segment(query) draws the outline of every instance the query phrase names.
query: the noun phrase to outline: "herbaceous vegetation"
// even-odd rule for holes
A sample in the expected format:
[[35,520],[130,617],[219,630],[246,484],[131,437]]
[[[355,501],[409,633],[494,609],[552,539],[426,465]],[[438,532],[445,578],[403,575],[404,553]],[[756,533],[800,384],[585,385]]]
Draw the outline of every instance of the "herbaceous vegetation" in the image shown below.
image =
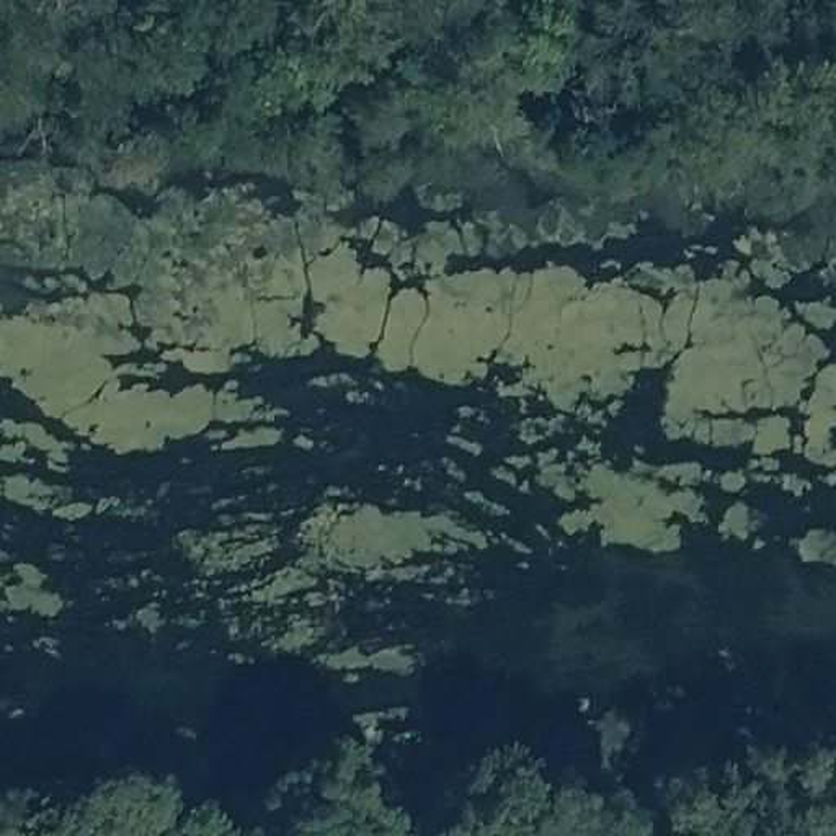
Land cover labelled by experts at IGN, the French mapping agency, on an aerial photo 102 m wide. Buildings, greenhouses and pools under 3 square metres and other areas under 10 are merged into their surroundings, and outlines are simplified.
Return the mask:
[[39,447],[49,460],[65,460],[65,444],[49,438],[36,425],[7,418],[0,425],[0,460],[20,460],[26,451]]
[[379,709],[356,718],[366,738],[376,741],[382,722],[408,715],[405,709]]
[[108,513],[150,523],[157,519],[157,513],[147,496],[140,503],[101,496],[95,503],[75,503],[69,487],[46,487],[26,477],[0,480],[0,496],[59,519]]
[[336,669],[346,683],[359,683],[362,669],[411,673],[411,656],[389,647],[376,653],[323,653],[317,663]]
[[271,516],[248,513],[255,526],[209,536],[180,532],[180,549],[206,575],[242,568],[274,552],[278,526],[271,526]]
[[153,607],[140,607],[137,614],[118,617],[114,630],[170,630],[206,624],[206,611],[199,611],[196,617],[160,617]]
[[601,767],[614,767],[614,754],[624,748],[627,738],[627,722],[620,722],[617,715],[604,715],[598,728]]
[[300,617],[291,620],[291,630],[284,637],[271,640],[268,650],[297,650],[323,634],[320,627],[310,627],[310,620]]
[[529,545],[506,532],[483,536],[477,529],[460,526],[451,516],[379,513],[359,490],[327,487],[317,516],[304,519],[297,529],[300,558],[291,568],[281,568],[268,588],[251,594],[251,601],[281,604],[281,594],[314,585],[320,568],[366,575],[369,581],[421,581],[428,565],[405,568],[402,562],[411,552],[464,552],[503,545],[516,552],[519,568],[532,565]]
[[173,121],[163,111],[137,105],[127,114],[124,131],[105,134],[105,147],[134,144],[147,134],[163,134],[173,127]]
[[[692,268],[656,265],[637,265],[634,274],[604,284],[585,284],[585,278],[571,268],[542,268],[532,274],[447,274],[444,265],[451,255],[513,255],[519,248],[539,245],[604,248],[604,242],[611,238],[634,235],[640,219],[663,219],[669,229],[692,235],[709,229],[709,222],[715,222],[715,216],[728,202],[705,202],[702,209],[689,209],[676,193],[669,199],[637,196],[627,202],[614,202],[604,193],[578,193],[571,186],[555,189],[555,202],[529,209],[526,193],[513,183],[523,167],[509,163],[503,150],[483,147],[477,157],[464,157],[454,163],[451,183],[431,183],[418,196],[425,209],[457,209],[460,202],[470,202],[474,219],[454,229],[444,222],[428,222],[421,235],[408,235],[385,219],[369,219],[362,225],[336,225],[340,209],[366,196],[362,183],[343,183],[340,176],[291,176],[287,183],[297,199],[297,212],[274,216],[255,196],[251,180],[258,173],[248,173],[245,183],[216,189],[202,199],[173,189],[167,176],[153,186],[150,196],[157,202],[157,216],[137,219],[121,202],[91,196],[91,180],[72,167],[49,167],[36,160],[0,163],[0,265],[85,268],[91,278],[111,274],[114,284],[140,287],[140,297],[95,294],[91,300],[69,297],[59,304],[26,304],[20,317],[0,314],[0,376],[7,376],[13,389],[33,398],[46,415],[65,421],[82,438],[91,438],[95,444],[105,444],[118,454],[160,451],[167,441],[189,434],[206,438],[212,451],[278,444],[281,431],[271,428],[245,431],[235,438],[229,438],[225,431],[212,431],[209,421],[274,421],[287,415],[284,408],[271,408],[265,398],[238,398],[238,382],[225,382],[222,392],[206,392],[196,385],[183,392],[147,392],[144,385],[134,385],[124,392],[118,382],[121,376],[163,376],[173,362],[183,362],[193,372],[225,372],[238,362],[251,362],[258,353],[310,356],[320,343],[300,336],[300,330],[291,327],[291,317],[300,314],[304,294],[314,294],[314,300],[320,300],[323,307],[317,327],[327,333],[336,353],[366,356],[369,343],[379,343],[379,359],[392,372],[418,369],[434,382],[467,385],[487,376],[487,366],[477,356],[490,356],[490,349],[496,349],[496,359],[506,366],[532,362],[529,372],[523,372],[513,385],[503,382],[496,389],[500,398],[519,402],[519,441],[526,444],[558,434],[568,415],[578,415],[588,425],[607,425],[620,411],[624,392],[634,389],[634,372],[666,366],[676,353],[679,362],[673,369],[663,408],[666,438],[692,438],[699,444],[718,447],[751,444],[751,460],[732,474],[702,470],[699,464],[660,467],[634,460],[624,474],[617,474],[607,467],[604,451],[594,441],[578,441],[568,451],[545,451],[539,454],[542,487],[549,487],[562,500],[571,500],[578,493],[601,496],[598,506],[565,513],[565,532],[601,526],[601,542],[624,542],[647,552],[673,552],[679,549],[679,529],[666,526],[666,516],[683,513],[692,523],[705,523],[696,483],[715,483],[722,490],[771,483],[784,487],[787,493],[807,493],[810,483],[794,474],[784,474],[774,451],[794,451],[813,464],[836,464],[836,366],[820,369],[816,359],[829,349],[816,336],[807,336],[800,327],[790,327],[787,310],[777,300],[748,297],[748,284],[764,278],[767,284],[780,287],[794,274],[803,274],[813,261],[826,261],[820,281],[836,284],[836,196],[820,196],[803,212],[810,219],[810,235],[797,238],[790,232],[748,232],[738,238],[738,251],[725,265],[722,278],[712,281],[696,281]],[[372,251],[385,255],[392,265],[385,271],[359,268],[356,255],[346,248],[349,238],[366,238]],[[405,261],[418,265],[418,274],[425,274],[428,281],[428,294],[389,294],[389,281],[405,278]],[[176,343],[176,349],[163,353],[157,362],[108,366],[111,353],[153,349],[157,343]],[[699,415],[702,408],[745,411],[780,405],[790,405],[807,415],[803,434],[787,434],[784,418],[748,425],[702,421]]]
[[0,611],[59,614],[62,598],[42,591],[42,571],[33,565],[16,565],[13,571],[0,575]]
[[797,549],[803,562],[836,565],[836,536],[816,529],[807,532]]
[[718,529],[722,536],[745,539],[748,529],[761,526],[761,513],[748,506],[732,506]]
[[33,114],[20,134],[52,137],[59,111]]

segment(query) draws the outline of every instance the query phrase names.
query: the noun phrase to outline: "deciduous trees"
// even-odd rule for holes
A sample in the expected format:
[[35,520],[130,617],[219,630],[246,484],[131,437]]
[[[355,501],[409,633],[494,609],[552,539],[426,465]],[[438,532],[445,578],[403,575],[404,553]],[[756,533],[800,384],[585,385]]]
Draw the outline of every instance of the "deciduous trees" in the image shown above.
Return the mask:
[[[124,131],[127,114],[137,105],[163,111],[173,121],[173,127],[163,134],[147,134],[134,144],[105,147],[105,134]],[[751,216],[771,219],[790,219],[803,212],[820,196],[836,196],[836,0],[0,0],[0,140],[7,134],[20,134],[33,114],[59,111],[52,137],[59,140],[62,153],[72,157],[72,167],[91,180],[150,196],[153,186],[167,176],[189,170],[212,173],[216,167],[248,173],[258,173],[287,183],[291,176],[340,176],[343,183],[362,183],[366,196],[382,202],[395,199],[402,189],[411,189],[418,196],[431,183],[451,183],[454,163],[464,157],[477,157],[483,147],[503,150],[509,163],[523,167],[529,167],[529,173],[542,186],[555,189],[571,186],[578,193],[604,193],[614,202],[627,202],[637,196],[669,199],[676,193],[689,209],[702,209],[705,202],[728,202],[738,202]]]
[[630,790],[594,797],[585,790],[545,784],[532,751],[513,745],[506,751],[487,754],[477,777],[454,774],[444,787],[441,803],[421,823],[415,823],[405,810],[382,803],[382,764],[376,764],[372,754],[362,751],[356,741],[343,741],[343,761],[310,761],[304,771],[291,771],[287,777],[281,777],[271,787],[268,800],[242,803],[232,816],[219,813],[216,803],[193,810],[180,800],[176,787],[153,784],[140,774],[98,784],[98,790],[72,803],[69,813],[59,810],[52,797],[39,790],[0,794],[0,836],[836,836],[836,748],[810,761],[767,758],[761,748],[751,748],[745,761],[696,767],[683,777],[656,780],[653,797],[640,807],[640,800]]

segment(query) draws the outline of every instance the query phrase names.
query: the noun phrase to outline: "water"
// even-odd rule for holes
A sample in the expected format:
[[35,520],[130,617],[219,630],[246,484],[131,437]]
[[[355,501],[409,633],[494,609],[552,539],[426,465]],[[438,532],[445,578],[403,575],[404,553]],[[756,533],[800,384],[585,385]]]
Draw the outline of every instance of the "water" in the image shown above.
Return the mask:
[[[271,428],[281,431],[278,444],[212,451],[206,438],[189,434],[167,441],[160,451],[118,454],[105,444],[95,444],[91,438],[82,438],[65,421],[46,415],[33,398],[13,389],[7,376],[0,376],[0,425],[7,418],[36,425],[49,438],[65,444],[65,460],[49,460],[39,447],[26,451],[20,460],[0,460],[0,480],[26,477],[46,487],[69,487],[75,503],[95,503],[101,496],[140,503],[147,496],[157,513],[157,519],[150,523],[108,513],[59,519],[0,496],[0,575],[13,571],[16,565],[33,565],[42,571],[42,591],[62,598],[59,614],[0,611],[0,794],[39,790],[52,797],[59,810],[69,813],[72,803],[98,790],[98,784],[140,774],[153,784],[176,787],[180,800],[193,810],[216,803],[219,813],[232,816],[242,803],[268,800],[271,787],[281,777],[287,777],[291,771],[304,771],[310,761],[343,761],[343,741],[356,741],[362,751],[372,754],[376,764],[382,764],[382,803],[405,810],[415,823],[421,823],[441,803],[444,787],[454,774],[477,777],[487,754],[506,751],[513,745],[532,751],[545,784],[585,790],[594,797],[630,790],[640,800],[640,807],[653,797],[656,780],[683,777],[696,767],[745,761],[751,748],[761,748],[767,758],[810,761],[836,748],[836,565],[803,562],[797,549],[807,532],[816,529],[836,536],[836,464],[813,464],[794,451],[774,451],[784,474],[794,474],[810,483],[807,493],[787,493],[784,487],[771,483],[722,490],[715,483],[696,483],[705,523],[692,523],[683,513],[666,516],[666,526],[679,529],[679,549],[673,552],[647,552],[624,542],[601,542],[601,526],[565,532],[565,513],[598,506],[601,496],[578,493],[571,500],[562,500],[549,487],[542,487],[539,454],[545,451],[568,451],[578,441],[594,441],[604,451],[607,467],[617,474],[624,474],[634,460],[660,467],[699,464],[702,470],[732,474],[751,460],[751,444],[718,447],[699,444],[692,438],[666,438],[663,408],[673,369],[679,362],[676,353],[666,366],[634,372],[634,389],[624,392],[620,411],[607,425],[588,425],[578,415],[568,415],[558,434],[526,444],[519,441],[519,402],[500,398],[496,389],[503,382],[513,385],[523,372],[529,372],[532,362],[506,366],[496,359],[496,349],[490,349],[490,356],[477,356],[487,366],[487,376],[467,385],[434,382],[418,369],[392,372],[379,359],[379,343],[369,343],[366,356],[336,353],[327,333],[317,327],[323,307],[320,300],[314,300],[314,294],[304,294],[300,314],[291,317],[291,327],[300,330],[300,336],[320,343],[310,356],[258,353],[251,362],[238,362],[225,372],[193,372],[183,362],[173,362],[163,376],[121,376],[118,382],[124,392],[134,385],[144,385],[147,392],[183,392],[196,385],[206,392],[222,392],[225,382],[238,382],[238,398],[265,398],[271,408],[284,408],[287,415],[274,421],[209,421],[212,431],[225,431],[229,438],[235,438],[245,431]],[[405,568],[428,565],[421,581],[369,581],[366,575],[320,568],[314,585],[281,594],[281,604],[251,601],[251,594],[268,588],[281,568],[291,568],[300,558],[297,529],[304,519],[317,516],[327,487],[359,490],[379,513],[451,516],[460,526],[477,529],[483,536],[506,532],[529,545],[532,565],[519,568],[516,552],[503,545],[464,552],[411,552],[402,562]],[[722,536],[718,529],[732,506],[748,506],[761,513],[761,526],[748,529],[745,539]],[[209,536],[255,526],[248,513],[271,516],[271,526],[278,526],[274,552],[242,568],[206,575],[180,549],[180,532]],[[196,617],[199,611],[206,611],[206,624],[170,630],[114,630],[118,617],[137,614],[140,607],[153,607],[160,617]],[[291,630],[291,620],[300,617],[310,620],[310,627],[320,627],[323,634],[297,650],[268,650],[271,640],[284,637]],[[362,669],[359,683],[346,683],[336,669],[317,663],[323,653],[376,653],[389,647],[411,656],[411,673]],[[376,741],[366,738],[356,718],[379,709],[405,709],[408,715],[382,722]],[[601,767],[598,728],[604,715],[617,715],[620,722],[627,722],[627,738],[624,748],[614,754],[614,767]]]
[[108,366],[157,362],[163,353],[176,349],[176,343],[157,343],[153,349],[111,353]]
[[712,281],[722,278],[725,265],[738,251],[738,238],[748,232],[790,232],[797,238],[810,235],[810,219],[803,212],[790,219],[771,219],[751,216],[738,202],[728,202],[715,216],[715,222],[709,222],[709,229],[692,235],[669,229],[663,219],[640,219],[634,235],[611,238],[604,242],[604,248],[539,245],[519,248],[513,255],[451,255],[444,265],[447,274],[532,274],[542,268],[571,268],[585,278],[585,284],[604,284],[634,274],[637,265],[656,265],[692,268],[696,281]]
[[216,167],[212,173],[189,170],[167,176],[173,189],[202,199],[216,189],[245,183],[248,173]]
[[385,271],[392,265],[385,255],[372,251],[366,238],[349,238],[346,248],[356,255],[359,268]]
[[702,421],[748,425],[784,418],[787,434],[803,434],[807,415],[790,405],[780,405],[745,411],[702,408],[699,415]]
[[137,219],[157,216],[157,202],[150,196],[91,180],[91,196],[121,202]]
[[421,235],[428,222],[444,222],[454,229],[474,219],[470,202],[460,202],[457,209],[425,209],[418,196],[411,189],[402,189],[395,199],[382,202],[366,196],[340,209],[336,225],[362,225],[369,219],[385,219],[408,235]]
[[526,193],[529,209],[555,202],[555,189],[542,186],[529,173],[529,167],[523,167],[513,183]]
[[0,140],[0,163],[36,160],[49,167],[72,167],[72,157],[62,153],[59,140],[52,137],[20,134],[7,134]]
[[826,261],[813,261],[803,274],[794,274],[780,287],[767,284],[764,278],[748,284],[748,297],[777,300],[787,310],[790,327],[800,327],[807,336],[816,336],[829,349],[816,359],[820,369],[836,366],[836,284],[820,281]]
[[251,180],[255,196],[274,216],[297,212],[297,199],[287,183],[258,173]]
[[418,265],[405,261],[405,278],[389,281],[389,294],[428,294],[428,281],[425,274],[418,274]]
[[111,274],[91,278],[85,268],[0,265],[0,314],[20,317],[26,304],[59,304],[69,297],[91,300],[95,294],[140,297],[140,287],[114,284]]

